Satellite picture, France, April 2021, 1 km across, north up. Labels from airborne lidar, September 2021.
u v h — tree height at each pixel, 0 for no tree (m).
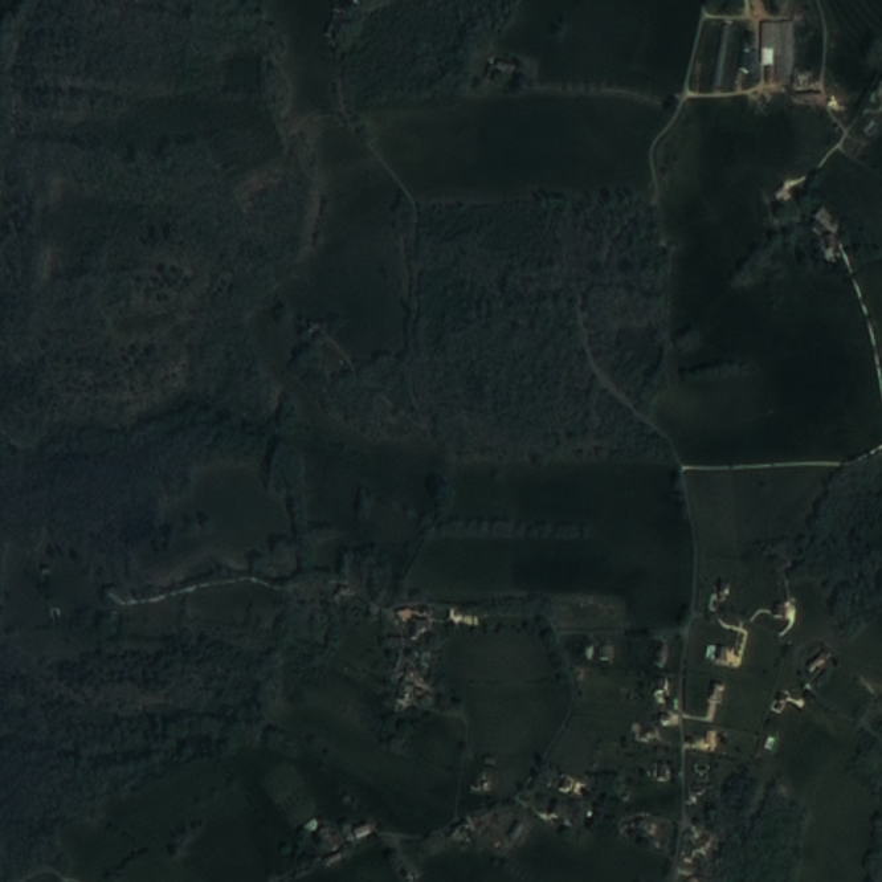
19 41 8
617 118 0
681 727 0
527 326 13
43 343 11
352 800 6
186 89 16
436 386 15
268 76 10
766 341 0
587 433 9
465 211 9
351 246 0
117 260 7
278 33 13
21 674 12
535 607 16
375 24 10
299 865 13
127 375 12
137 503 17
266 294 19
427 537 10
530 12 0
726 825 19
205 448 22
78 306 20
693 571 0
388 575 17
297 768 0
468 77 16
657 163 0
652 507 0
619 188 0
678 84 0
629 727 0
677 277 0
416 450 0
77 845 0
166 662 17
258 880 0
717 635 0
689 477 0
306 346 6
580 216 10
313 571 9
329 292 0
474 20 9
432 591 0
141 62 15
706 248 0
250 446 24
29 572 0
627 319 19
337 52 10
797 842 17
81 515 20
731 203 0
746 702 0
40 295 16
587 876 0
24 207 17
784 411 0
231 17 15
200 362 18
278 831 0
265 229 14
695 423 0
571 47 0
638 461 10
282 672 11
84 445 15
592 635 0
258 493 0
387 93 13
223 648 9
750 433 0
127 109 16
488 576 0
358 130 12
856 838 0
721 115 0
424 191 0
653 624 0
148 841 0
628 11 0
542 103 0
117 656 11
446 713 16
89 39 9
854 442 0
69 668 11
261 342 0
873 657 0
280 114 10
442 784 0
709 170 0
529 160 0
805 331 0
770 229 0
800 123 0
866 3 0
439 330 7
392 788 0
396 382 17
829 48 0
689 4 0
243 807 0
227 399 14
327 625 8
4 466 18
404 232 8
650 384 21
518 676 0
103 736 11
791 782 0
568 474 0
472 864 0
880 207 0
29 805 17
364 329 0
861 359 0
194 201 13
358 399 17
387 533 0
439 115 0
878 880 21
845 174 0
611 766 0
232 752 11
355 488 0
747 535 0
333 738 0
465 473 0
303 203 16
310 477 0
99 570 11
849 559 17
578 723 0
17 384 14
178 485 19
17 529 15
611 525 0
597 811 14
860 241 13
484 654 0
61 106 13
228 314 19
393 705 15
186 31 15
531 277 15
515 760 0
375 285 0
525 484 0
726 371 16
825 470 0
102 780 22
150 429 20
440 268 14
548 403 12
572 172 0
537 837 0
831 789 0
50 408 11
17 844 21
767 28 0
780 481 0
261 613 0
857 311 0
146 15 12
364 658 9
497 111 0
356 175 0
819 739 0
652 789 0
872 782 8
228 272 12
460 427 14
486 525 11
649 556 0
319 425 0
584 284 16
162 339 8
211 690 9
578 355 12
